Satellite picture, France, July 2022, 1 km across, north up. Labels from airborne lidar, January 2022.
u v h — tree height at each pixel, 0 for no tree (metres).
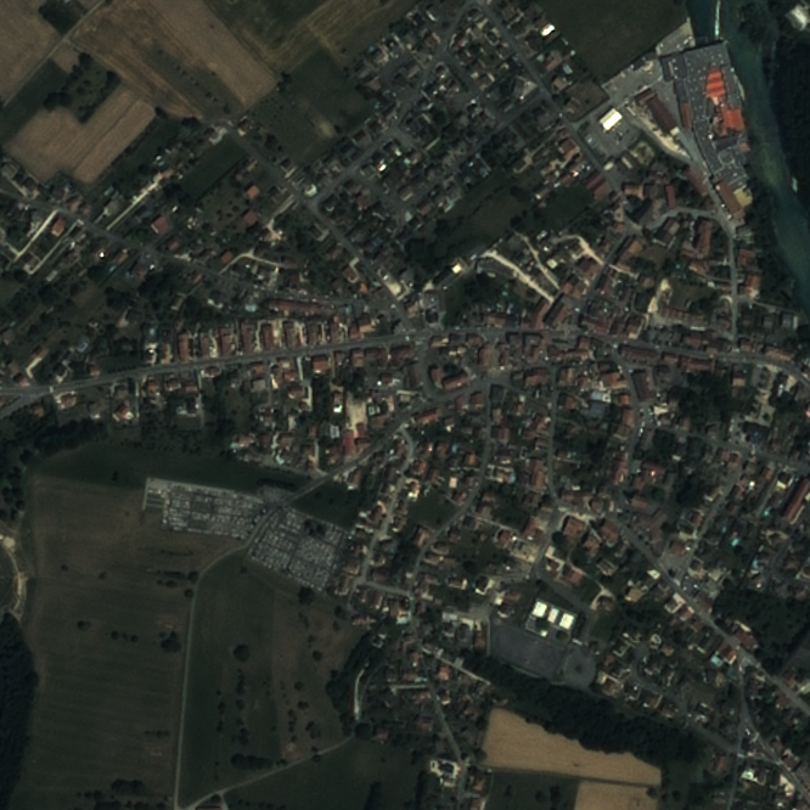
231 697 0
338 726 0
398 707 0
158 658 0
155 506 0
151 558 0
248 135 0
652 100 0
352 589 0
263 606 0
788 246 0
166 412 9
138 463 0
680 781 0
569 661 0
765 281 0
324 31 0
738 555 12
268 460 0
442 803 0
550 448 0
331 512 0
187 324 0
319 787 0
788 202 0
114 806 10
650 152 0
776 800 0
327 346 0
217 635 0
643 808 0
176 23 0
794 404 8
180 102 0
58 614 0
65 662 0
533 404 0
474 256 0
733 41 0
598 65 0
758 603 12
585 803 0
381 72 0
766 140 0
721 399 13
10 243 0
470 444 0
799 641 16
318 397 9
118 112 0
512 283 8
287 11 0
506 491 7
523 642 0
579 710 11
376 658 13
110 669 0
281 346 0
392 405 0
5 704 8
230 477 0
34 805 0
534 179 0
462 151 0
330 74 0
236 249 8
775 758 0
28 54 0
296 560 0
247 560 0
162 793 0
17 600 0
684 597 0
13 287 0
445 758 7
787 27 11
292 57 0
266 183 0
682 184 10
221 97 0
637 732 15
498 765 0
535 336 0
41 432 9
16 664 18
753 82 0
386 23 0
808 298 0
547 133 0
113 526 0
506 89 8
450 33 0
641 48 0
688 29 0
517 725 0
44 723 0
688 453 6
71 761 0
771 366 0
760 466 9
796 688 0
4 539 0
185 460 0
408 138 0
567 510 0
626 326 0
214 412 7
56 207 0
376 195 0
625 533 0
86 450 0
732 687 9
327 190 0
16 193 0
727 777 6
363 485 6
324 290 0
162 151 11
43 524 0
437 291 0
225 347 0
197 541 0
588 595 0
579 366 0
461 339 0
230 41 0
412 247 19
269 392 0
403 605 7
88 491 0
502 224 0
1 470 8
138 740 0
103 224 0
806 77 36
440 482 0
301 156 0
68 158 0
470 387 0
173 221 0
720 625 14
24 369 0
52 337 0
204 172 0
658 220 0
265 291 0
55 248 0
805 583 0
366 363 0
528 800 0
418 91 0
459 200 0
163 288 13
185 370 0
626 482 0
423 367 0
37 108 0
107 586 0
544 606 0
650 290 8
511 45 0
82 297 0
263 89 0
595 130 0
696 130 0
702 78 0
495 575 0
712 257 0
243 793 0
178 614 0
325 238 0
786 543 0
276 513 0
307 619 8
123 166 0
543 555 0
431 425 0
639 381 0
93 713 0
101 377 0
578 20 0
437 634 6
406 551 6
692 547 0
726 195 0
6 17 0
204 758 0
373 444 0
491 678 7
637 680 0
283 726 0
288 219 6
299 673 0
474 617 0
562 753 0
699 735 0
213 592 0
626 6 0
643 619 15
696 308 6
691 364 0
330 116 0
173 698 0
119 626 0
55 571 0
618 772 0
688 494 15
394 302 0
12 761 6
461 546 0
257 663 0
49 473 0
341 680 9
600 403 0
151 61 0
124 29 0
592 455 7
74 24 0
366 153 0
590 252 0
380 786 11
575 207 0
